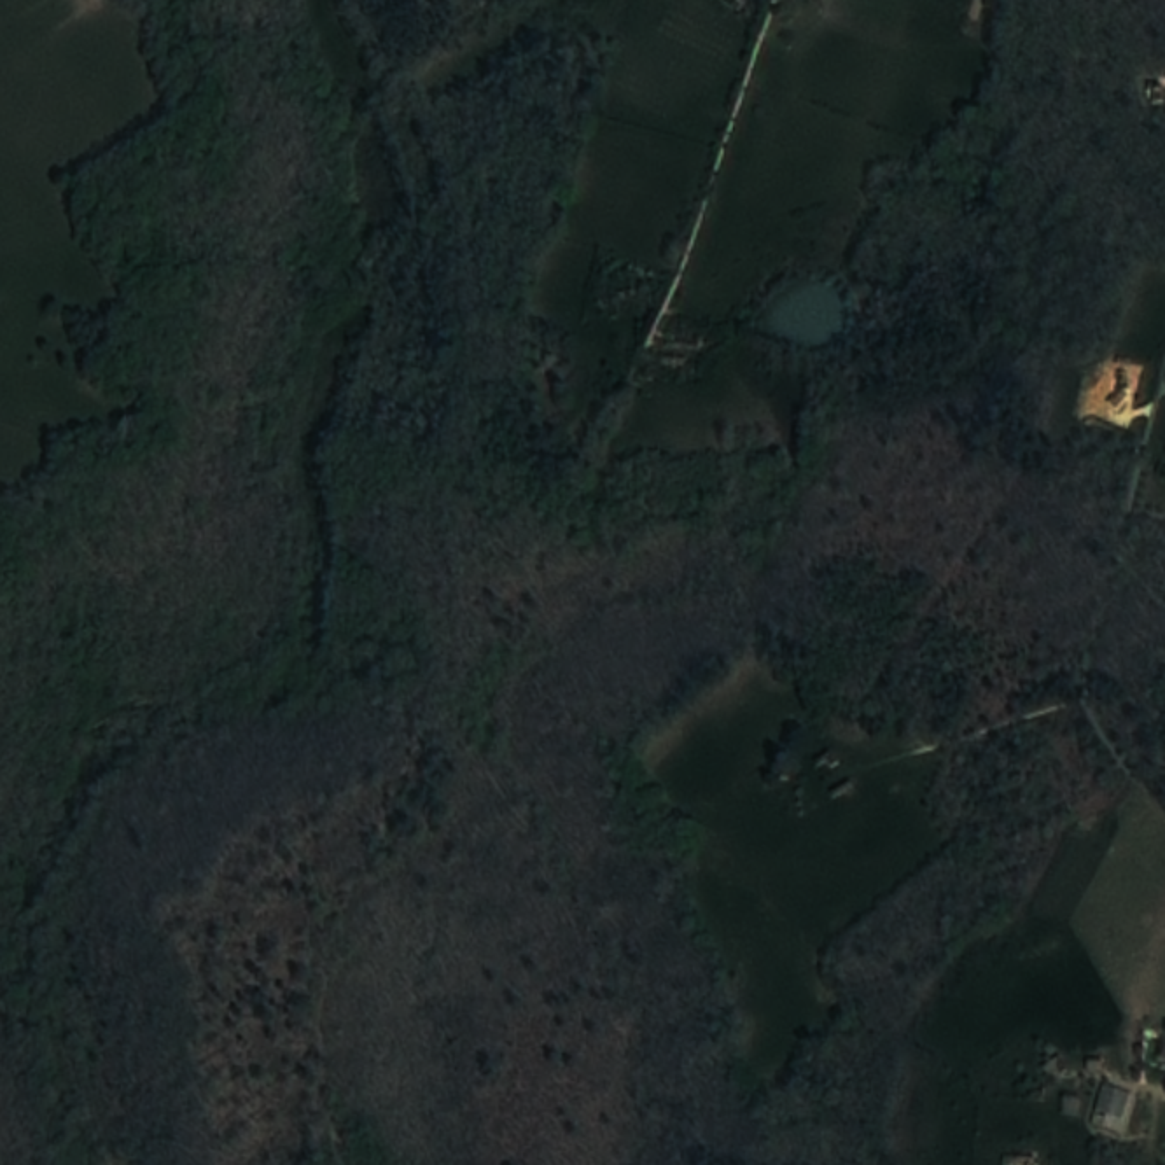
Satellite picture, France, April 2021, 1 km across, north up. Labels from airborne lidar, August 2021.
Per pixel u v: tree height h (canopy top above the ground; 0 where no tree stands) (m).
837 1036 13
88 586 15
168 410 20
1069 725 9
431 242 18
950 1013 0
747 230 0
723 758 0
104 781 18
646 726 20
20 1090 20
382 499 24
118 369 24
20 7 0
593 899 12
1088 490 16
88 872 18
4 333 0
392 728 15
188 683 16
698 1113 14
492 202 12
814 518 11
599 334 0
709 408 0
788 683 17
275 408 24
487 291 25
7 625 24
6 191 0
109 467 22
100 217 22
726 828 0
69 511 25
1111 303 23
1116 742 17
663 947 16
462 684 19
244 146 21
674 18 0
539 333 21
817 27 0
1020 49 20
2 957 32
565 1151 11
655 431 0
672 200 0
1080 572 15
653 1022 19
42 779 26
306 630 17
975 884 11
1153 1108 0
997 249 27
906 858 0
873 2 0
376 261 15
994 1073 0
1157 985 0
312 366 15
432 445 21
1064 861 0
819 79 0
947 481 11
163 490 22
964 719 10
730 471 13
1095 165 16
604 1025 12
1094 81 16
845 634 13
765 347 13
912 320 23
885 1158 10
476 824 14
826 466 13
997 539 9
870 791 0
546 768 14
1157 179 16
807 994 0
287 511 21
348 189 21
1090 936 0
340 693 27
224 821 13
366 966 15
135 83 0
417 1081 17
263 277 18
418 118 24
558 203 21
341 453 28
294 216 16
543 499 22
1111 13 15
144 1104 14
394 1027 14
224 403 26
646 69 0
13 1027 26
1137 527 16
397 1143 20
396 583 19
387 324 9
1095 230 18
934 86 0
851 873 0
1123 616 15
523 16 8
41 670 17
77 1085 10
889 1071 18
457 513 23
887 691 18
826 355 11
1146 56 14
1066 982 0
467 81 8
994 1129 0
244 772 16
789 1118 25
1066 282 15
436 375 16
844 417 14
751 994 0
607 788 16
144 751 19
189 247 18
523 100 25
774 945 0
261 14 18
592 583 16
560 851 15
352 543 20
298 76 26
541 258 20
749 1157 19
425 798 14
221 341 24
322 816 7
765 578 15
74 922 12
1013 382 16
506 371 21
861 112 0
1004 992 0
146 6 16
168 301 25
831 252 0
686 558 13
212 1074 16
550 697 11
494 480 22
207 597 17
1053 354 15
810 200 0
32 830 17
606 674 11
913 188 19
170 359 22
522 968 12
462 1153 8
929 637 10
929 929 16
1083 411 0
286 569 20
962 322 26
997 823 8
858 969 19
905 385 17
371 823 12
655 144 0
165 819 13
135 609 16
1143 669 17
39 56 0
